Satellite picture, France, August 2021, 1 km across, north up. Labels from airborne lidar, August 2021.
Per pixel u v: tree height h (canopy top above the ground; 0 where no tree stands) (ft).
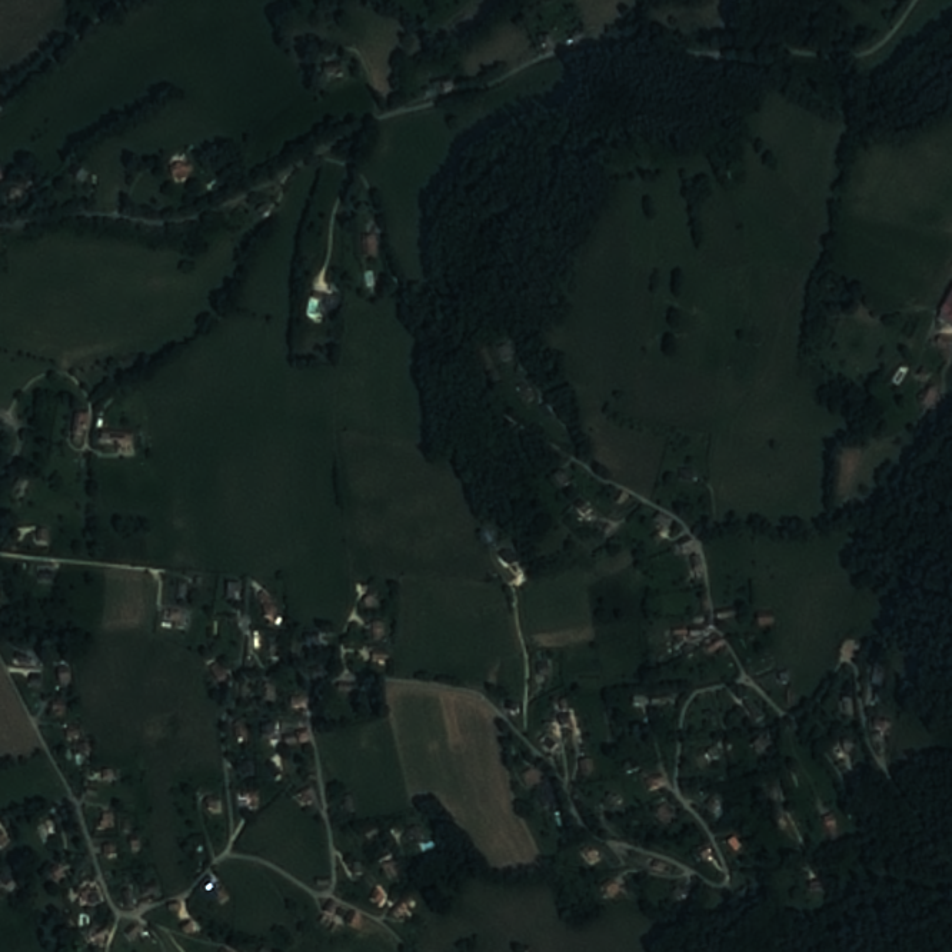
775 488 0
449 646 0
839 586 0
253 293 0
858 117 62
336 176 0
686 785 47
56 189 23
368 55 0
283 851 0
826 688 25
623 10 43
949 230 0
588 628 0
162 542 0
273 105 0
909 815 49
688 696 18
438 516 0
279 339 0
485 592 0
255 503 0
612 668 0
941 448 60
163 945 0
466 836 79
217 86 0
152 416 0
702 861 17
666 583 0
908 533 65
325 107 0
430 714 0
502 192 94
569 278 54
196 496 0
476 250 47
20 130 0
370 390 0
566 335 0
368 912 0
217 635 19
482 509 71
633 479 0
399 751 0
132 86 0
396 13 60
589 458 35
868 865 64
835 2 74
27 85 56
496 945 0
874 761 31
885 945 79
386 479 0
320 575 0
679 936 92
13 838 19
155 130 0
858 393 68
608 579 0
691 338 0
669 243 0
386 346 0
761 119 0
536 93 0
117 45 0
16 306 0
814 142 0
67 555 0
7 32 0
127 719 0
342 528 0
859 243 0
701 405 0
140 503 0
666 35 78
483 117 0
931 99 97
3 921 0
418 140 0
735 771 39
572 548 37
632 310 0
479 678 0
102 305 0
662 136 96
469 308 72
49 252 0
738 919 77
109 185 0
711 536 54
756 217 0
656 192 0
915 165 0
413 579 0
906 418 0
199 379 0
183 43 0
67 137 0
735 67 71
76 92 0
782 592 0
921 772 53
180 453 0
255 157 0
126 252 0
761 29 76
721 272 0
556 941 0
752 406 0
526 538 65
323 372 0
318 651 58
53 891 46
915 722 0
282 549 0
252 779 27
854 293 74
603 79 106
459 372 84
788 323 0
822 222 0
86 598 0
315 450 0
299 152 75
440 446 73
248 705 23
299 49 0
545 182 91
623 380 0
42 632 40
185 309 0
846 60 69
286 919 0
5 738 0
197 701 0
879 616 0
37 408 32
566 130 94
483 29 58
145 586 0
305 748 28
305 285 32
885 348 23
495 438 83
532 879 71
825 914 42
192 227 43
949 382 0
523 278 63
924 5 0
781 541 23
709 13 0
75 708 36
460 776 0
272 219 49
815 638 0
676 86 98
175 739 0
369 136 81
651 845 48
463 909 0
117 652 0
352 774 0
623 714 50
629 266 0
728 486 0
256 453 0
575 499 53
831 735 26
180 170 0
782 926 92
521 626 0
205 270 0
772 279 0
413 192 0
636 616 0
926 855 59
